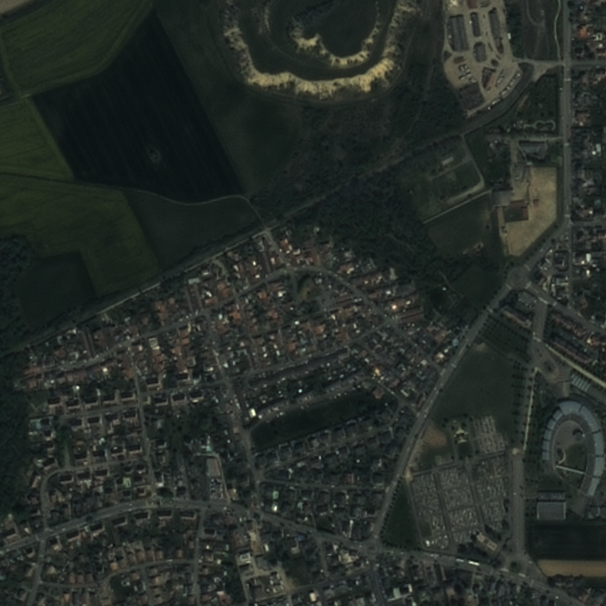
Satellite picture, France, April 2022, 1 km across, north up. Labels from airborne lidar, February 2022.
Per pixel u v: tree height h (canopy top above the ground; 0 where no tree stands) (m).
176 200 0
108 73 0
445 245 0
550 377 0
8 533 0
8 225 0
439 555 0
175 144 0
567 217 0
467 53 0
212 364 0
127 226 0
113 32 0
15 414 15
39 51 0
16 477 14
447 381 0
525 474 0
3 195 0
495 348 0
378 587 0
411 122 0
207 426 15
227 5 0
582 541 0
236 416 0
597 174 0
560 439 0
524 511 0
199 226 0
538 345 0
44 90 0
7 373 15
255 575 0
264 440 0
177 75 0
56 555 0
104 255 0
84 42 0
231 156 0
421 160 17
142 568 0
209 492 0
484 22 0
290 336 0
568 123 0
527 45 0
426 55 0
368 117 0
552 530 0
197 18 0
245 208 0
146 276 0
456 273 10
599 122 0
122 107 0
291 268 0
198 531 0
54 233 0
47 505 0
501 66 0
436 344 6
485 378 0
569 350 0
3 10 0
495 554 0
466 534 0
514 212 0
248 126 0
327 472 8
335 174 11
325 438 0
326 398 0
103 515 0
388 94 0
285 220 12
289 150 0
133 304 7
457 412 0
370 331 0
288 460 0
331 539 0
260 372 0
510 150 6
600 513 0
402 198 11
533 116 0
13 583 0
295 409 0
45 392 0
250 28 0
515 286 0
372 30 0
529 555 0
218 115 0
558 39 0
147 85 0
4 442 16
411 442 0
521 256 0
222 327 0
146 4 0
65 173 0
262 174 0
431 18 0
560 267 0
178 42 0
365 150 7
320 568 0
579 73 0
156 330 0
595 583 0
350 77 0
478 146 0
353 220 19
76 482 0
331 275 0
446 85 5
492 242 0
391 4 0
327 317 0
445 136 0
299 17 0
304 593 0
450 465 0
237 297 0
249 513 0
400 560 0
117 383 0
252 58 0
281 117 0
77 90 0
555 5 0
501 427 0
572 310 0
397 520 0
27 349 6
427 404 0
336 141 0
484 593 10
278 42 0
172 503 0
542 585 0
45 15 0
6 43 0
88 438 0
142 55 0
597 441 0
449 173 0
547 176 0
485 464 0
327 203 8
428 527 0
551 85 0
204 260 0
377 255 11
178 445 0
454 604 10
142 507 0
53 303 0
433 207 0
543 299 0
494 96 0
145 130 0
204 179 0
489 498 0
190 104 0
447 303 0
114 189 0
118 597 0
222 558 0
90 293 0
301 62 0
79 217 0
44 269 0
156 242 0
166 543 6
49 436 0
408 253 15
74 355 0
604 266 0
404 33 0
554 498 0
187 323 0
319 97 0
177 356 0
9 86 0
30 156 0
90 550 11
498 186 8
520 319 0
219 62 0
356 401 0
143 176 0
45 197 0
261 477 0
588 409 0
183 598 0
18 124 0
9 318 20
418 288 0
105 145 0
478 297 0
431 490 0
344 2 0
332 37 0
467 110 0
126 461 0
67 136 0
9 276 13
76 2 0
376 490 0
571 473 0
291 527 0
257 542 0
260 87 0
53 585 0
